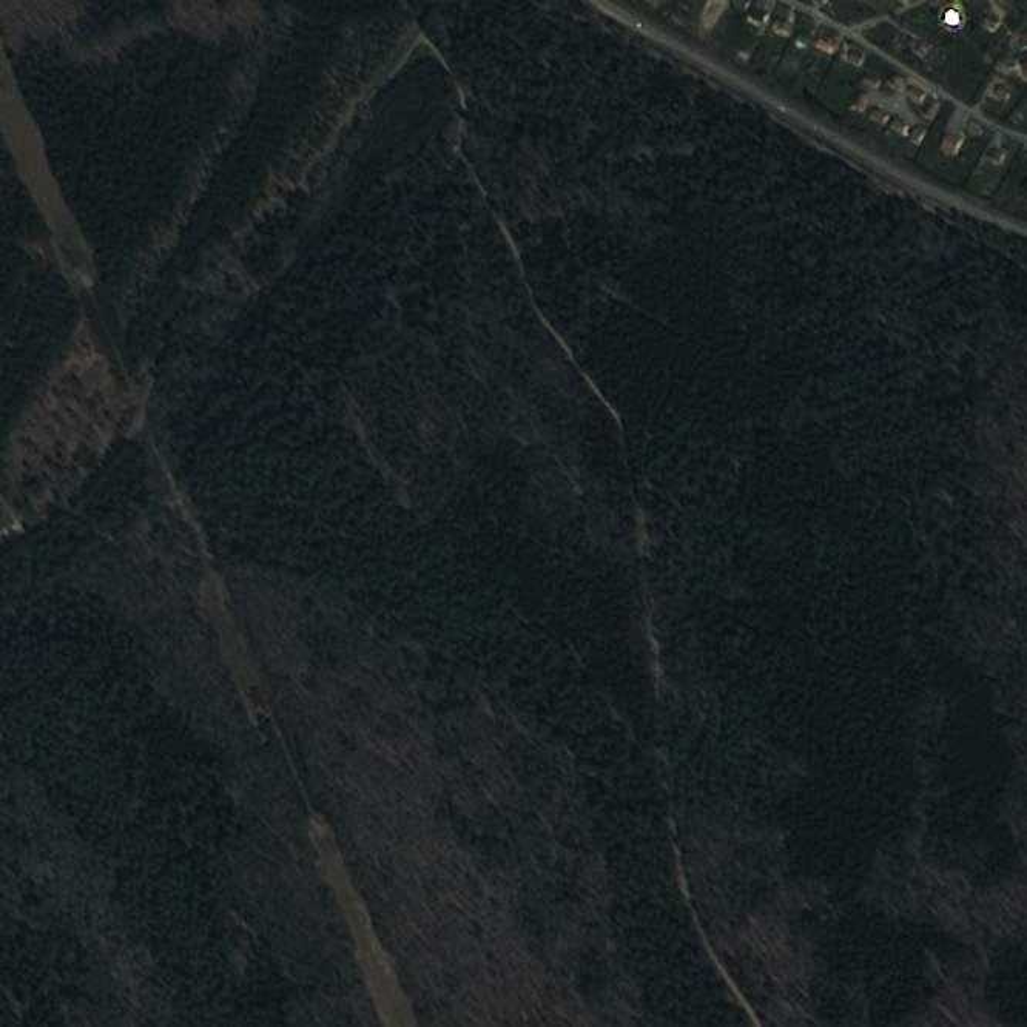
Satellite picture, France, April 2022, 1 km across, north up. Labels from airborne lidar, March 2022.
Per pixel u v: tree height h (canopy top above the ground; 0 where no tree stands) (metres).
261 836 27
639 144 26
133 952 27
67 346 19
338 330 12
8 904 28
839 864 26
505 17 23
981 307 12
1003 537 27
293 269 8
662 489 20
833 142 0
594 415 25
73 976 31
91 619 27
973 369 22
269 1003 17
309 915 26
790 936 27
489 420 34
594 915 28
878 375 30
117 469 28
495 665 30
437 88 17
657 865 25
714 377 25
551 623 20
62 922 24
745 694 25
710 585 27
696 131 31
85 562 25
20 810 26
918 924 27
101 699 25
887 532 25
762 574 25
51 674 29
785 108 0
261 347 29
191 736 10
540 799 29
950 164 0
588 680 8
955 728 16
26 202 25
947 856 20
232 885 31
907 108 0
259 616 24
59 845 28
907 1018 24
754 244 19
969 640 21
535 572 20
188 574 24
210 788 9
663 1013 23
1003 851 20
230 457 26
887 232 31
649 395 22
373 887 27
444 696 18
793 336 27
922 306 33
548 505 24
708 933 22
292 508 28
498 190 25
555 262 13
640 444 23
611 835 8
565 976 8
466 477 19
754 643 29
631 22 0
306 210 28
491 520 26
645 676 19
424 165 19
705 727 30
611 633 21
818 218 6
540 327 29
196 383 20
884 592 30
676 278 19
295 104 28
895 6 0
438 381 29
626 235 26
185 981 29
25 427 25
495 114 18
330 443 24
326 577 37
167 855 24
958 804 18
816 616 27
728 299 23
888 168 0
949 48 10
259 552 31
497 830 27
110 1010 29
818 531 28
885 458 25
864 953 29
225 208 25
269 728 7
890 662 23
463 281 8
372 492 8
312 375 6
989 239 23
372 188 14
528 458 23
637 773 29
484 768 28
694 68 0
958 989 27
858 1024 22
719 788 27
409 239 23
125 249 25
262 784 22
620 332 25
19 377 22
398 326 18
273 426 24
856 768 22
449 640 33
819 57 0
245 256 27
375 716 28
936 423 34
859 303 29
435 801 30
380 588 29
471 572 25
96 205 28
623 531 19
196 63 31
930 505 35
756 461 28
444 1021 26
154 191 27
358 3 31
